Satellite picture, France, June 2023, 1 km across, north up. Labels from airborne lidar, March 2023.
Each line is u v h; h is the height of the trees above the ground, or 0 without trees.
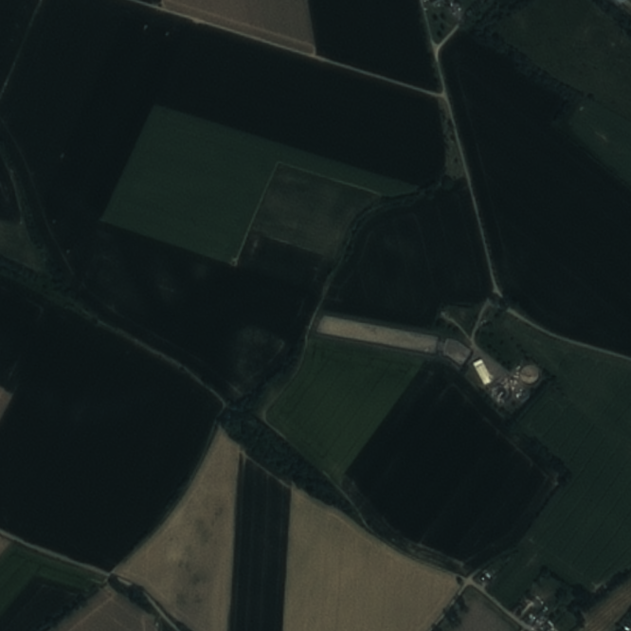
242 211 0
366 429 0
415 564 0
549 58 0
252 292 0
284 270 0
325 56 0
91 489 0
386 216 0
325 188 0
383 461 0
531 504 0
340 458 0
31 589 0
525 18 0
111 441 0
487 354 0
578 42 0
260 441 14
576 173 0
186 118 0
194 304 0
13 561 0
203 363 0
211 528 0
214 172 0
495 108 0
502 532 0
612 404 0
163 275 0
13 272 6
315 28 0
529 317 0
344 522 0
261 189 0
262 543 0
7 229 0
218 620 0
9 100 0
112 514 0
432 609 0
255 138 0
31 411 0
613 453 0
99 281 0
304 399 0
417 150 0
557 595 13
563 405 0
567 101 6
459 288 0
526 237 0
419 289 0
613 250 0
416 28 0
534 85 0
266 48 0
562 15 0
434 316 0
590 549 0
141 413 0
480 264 0
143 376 0
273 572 0
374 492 0
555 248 0
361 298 0
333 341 0
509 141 0
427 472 0
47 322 0
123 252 0
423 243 0
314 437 0
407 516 0
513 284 0
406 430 0
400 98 0
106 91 0
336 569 0
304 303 0
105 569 0
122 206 0
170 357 0
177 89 0
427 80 0
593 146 0
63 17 0
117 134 0
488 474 0
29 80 0
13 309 0
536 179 0
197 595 0
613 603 0
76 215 0
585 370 0
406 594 0
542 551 0
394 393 0
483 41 10
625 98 0
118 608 0
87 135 0
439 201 0
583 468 0
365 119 0
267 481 0
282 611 0
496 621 0
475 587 0
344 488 0
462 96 0
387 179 0
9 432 0
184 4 0
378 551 0
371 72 0
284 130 0
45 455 0
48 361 0
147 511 0
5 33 0
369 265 0
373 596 0
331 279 0
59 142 0
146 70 0
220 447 0
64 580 0
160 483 0
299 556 0
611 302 0
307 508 0
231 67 0
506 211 0
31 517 0
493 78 0
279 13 0
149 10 0
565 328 0
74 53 0
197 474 0
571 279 0
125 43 0
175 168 0
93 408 0
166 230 0
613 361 0
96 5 0
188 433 0
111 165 0
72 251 0
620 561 0
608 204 0
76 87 0
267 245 0
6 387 0
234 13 0
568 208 0
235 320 0
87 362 0
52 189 0
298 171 0
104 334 0
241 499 0
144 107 0
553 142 0
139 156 0
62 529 0
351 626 0
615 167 0
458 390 0
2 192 0
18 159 0
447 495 0
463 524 0
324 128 0
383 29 0
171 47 0
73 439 0
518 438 0
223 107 0
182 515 0
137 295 0
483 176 0
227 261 0
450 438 0
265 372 0
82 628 0
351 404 0
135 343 0
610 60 0
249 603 0
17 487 0
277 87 0
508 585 0
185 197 0
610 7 14
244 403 13
